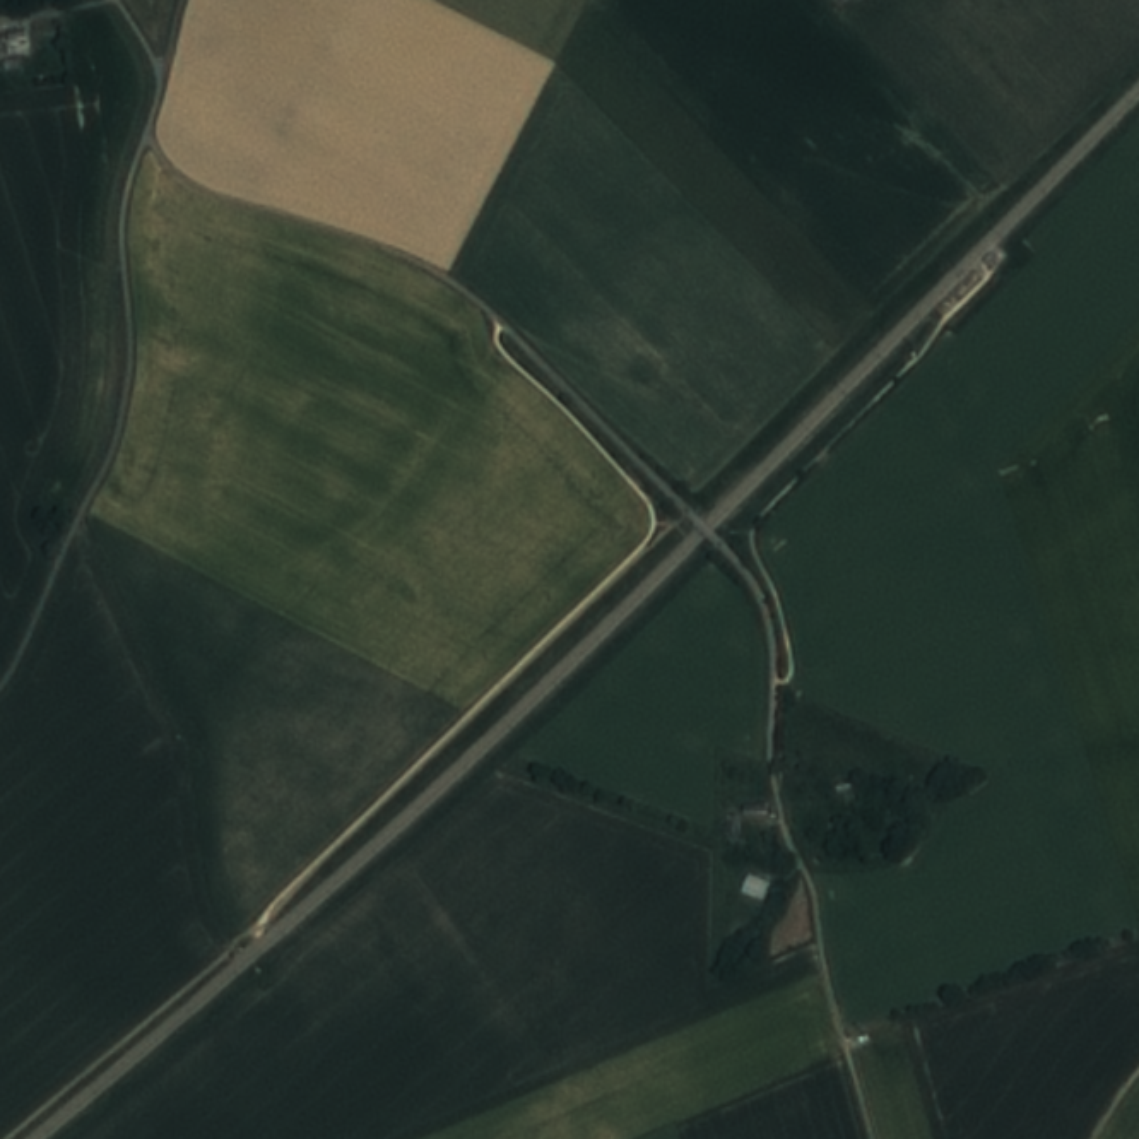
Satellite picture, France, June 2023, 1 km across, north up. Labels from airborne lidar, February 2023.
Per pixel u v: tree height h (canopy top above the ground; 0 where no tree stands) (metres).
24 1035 0
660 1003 0
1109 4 0
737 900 0
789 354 0
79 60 0
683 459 0
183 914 0
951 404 0
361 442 0
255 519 0
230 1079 0
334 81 0
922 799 17
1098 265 0
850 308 0
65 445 0
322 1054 0
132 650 0
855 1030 0
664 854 0
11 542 0
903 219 0
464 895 0
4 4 16
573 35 0
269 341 0
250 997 0
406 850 0
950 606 0
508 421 0
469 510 0
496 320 0
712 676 0
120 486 0
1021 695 0
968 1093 0
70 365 0
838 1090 0
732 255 0
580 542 0
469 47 0
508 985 0
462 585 0
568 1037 0
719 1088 0
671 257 0
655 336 0
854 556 0
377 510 0
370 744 0
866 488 0
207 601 0
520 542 0
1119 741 0
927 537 0
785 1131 0
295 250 0
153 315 0
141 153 0
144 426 0
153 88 0
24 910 0
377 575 0
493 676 0
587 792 12
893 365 0
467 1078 0
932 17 0
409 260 0
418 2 0
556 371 0
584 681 0
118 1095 0
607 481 0
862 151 0
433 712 0
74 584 0
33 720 0
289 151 0
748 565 11
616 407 0
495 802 0
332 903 0
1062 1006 0
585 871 0
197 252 0
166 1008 0
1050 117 0
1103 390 0
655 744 0
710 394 0
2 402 0
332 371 0
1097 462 0
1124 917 0
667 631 0
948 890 0
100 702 0
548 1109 0
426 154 0
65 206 0
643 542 0
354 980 0
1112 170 0
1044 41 0
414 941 0
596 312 0
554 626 0
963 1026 0
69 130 0
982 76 0
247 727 0
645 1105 0
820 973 0
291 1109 0
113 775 0
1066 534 0
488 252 0
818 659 0
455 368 0
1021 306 0
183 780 0
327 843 0
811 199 0
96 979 0
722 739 0
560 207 0
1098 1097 0
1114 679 0
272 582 0
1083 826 0
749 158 0
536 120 0
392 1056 0
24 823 0
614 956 0
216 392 0
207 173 0
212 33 0
